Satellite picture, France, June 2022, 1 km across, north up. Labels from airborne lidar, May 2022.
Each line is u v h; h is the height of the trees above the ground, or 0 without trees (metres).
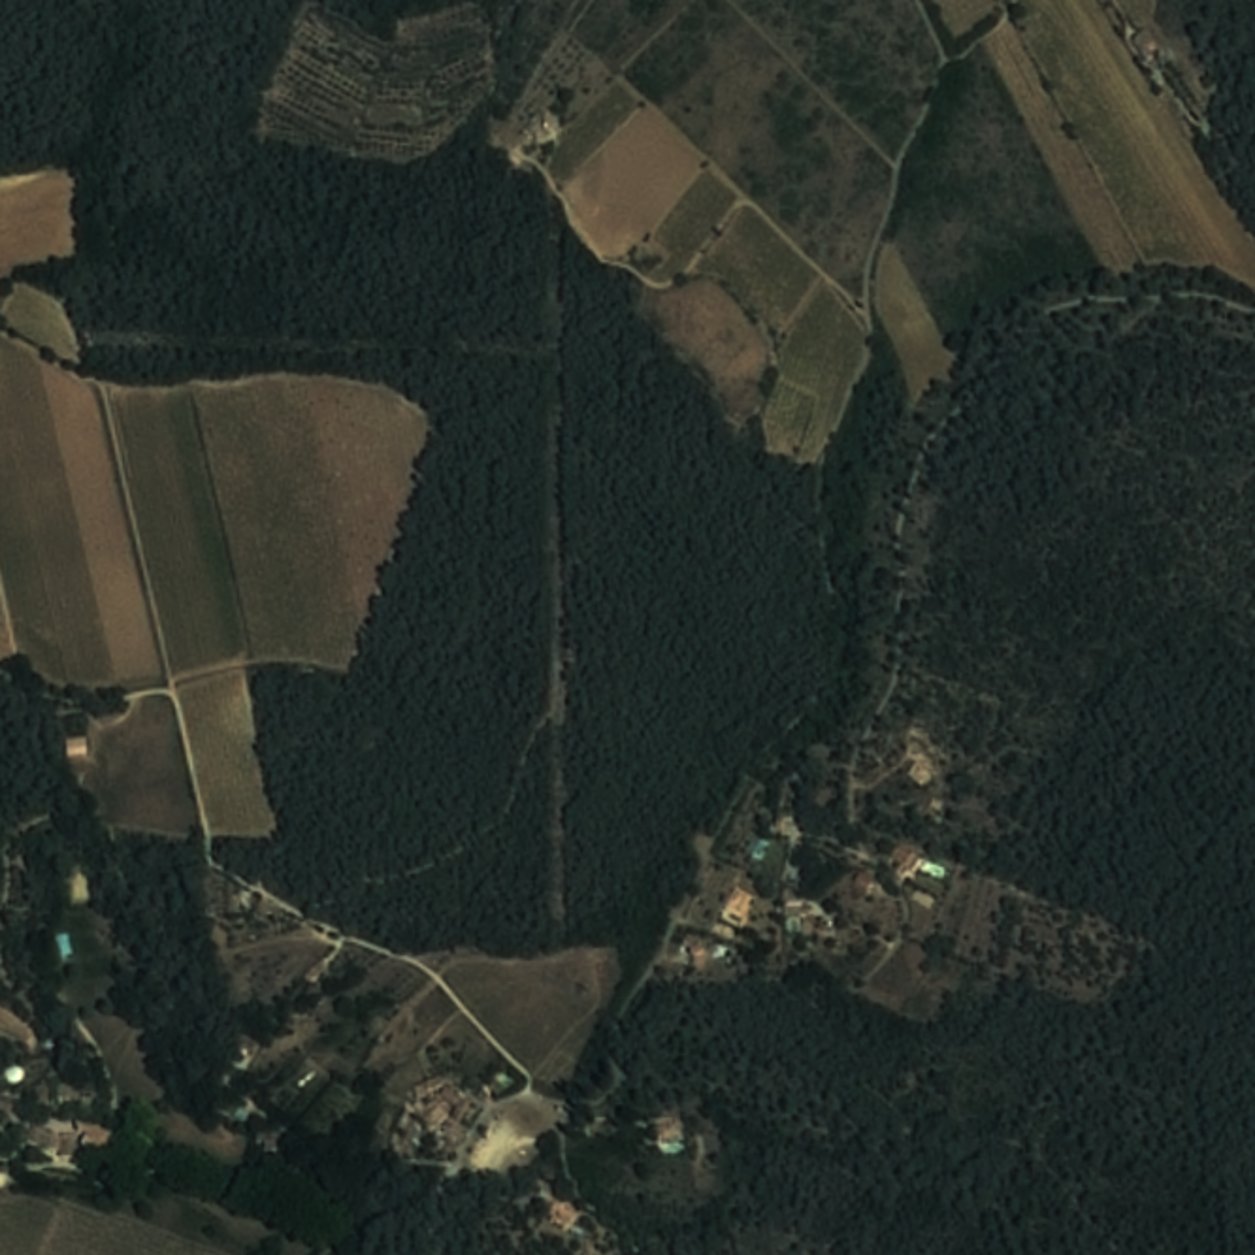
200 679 0
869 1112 18
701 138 0
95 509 0
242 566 0
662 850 14
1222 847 21
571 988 0
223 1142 0
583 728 14
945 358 0
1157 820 19
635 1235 12
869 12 0
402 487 0
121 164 22
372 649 15
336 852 11
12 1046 14
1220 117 11
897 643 13
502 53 8
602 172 0
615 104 0
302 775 18
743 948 11
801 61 0
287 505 0
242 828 0
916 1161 20
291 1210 43
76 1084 18
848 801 9
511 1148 0
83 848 18
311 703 12
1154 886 22
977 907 0
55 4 21
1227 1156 19
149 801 0
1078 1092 8
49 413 0
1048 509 18
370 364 19
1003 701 8
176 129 17
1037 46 0
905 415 20
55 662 0
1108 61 0
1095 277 8
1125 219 0
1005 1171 21
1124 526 10
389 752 7
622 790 13
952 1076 10
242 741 0
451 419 18
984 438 17
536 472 14
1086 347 17
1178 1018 17
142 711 0
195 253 13
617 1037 18
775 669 13
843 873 11
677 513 15
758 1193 15
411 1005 0
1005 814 18
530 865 8
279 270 7
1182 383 9
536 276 16
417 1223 26
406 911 9
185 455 0
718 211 0
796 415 0
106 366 13
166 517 0
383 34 8
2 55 22
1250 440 12
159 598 0
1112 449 9
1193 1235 20
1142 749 16
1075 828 14
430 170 15
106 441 0
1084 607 6
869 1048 18
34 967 13
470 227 8
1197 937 16
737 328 0
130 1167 33
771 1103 18
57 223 0
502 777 11
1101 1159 19
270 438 0
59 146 20
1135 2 0
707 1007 13
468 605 17
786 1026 18
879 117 0
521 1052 0
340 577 0
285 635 0
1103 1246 11
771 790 8
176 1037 11
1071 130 10
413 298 17
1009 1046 17
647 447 14
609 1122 10
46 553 0
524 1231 5
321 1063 0
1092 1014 18
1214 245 0
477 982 0
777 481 22
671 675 14
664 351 12
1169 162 0
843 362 0
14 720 19
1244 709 17
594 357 15
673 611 10
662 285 0
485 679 12
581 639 14
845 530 10
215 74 16
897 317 0
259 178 15
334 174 12
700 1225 12
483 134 9
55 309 0
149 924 24
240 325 6
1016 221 0
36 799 19
